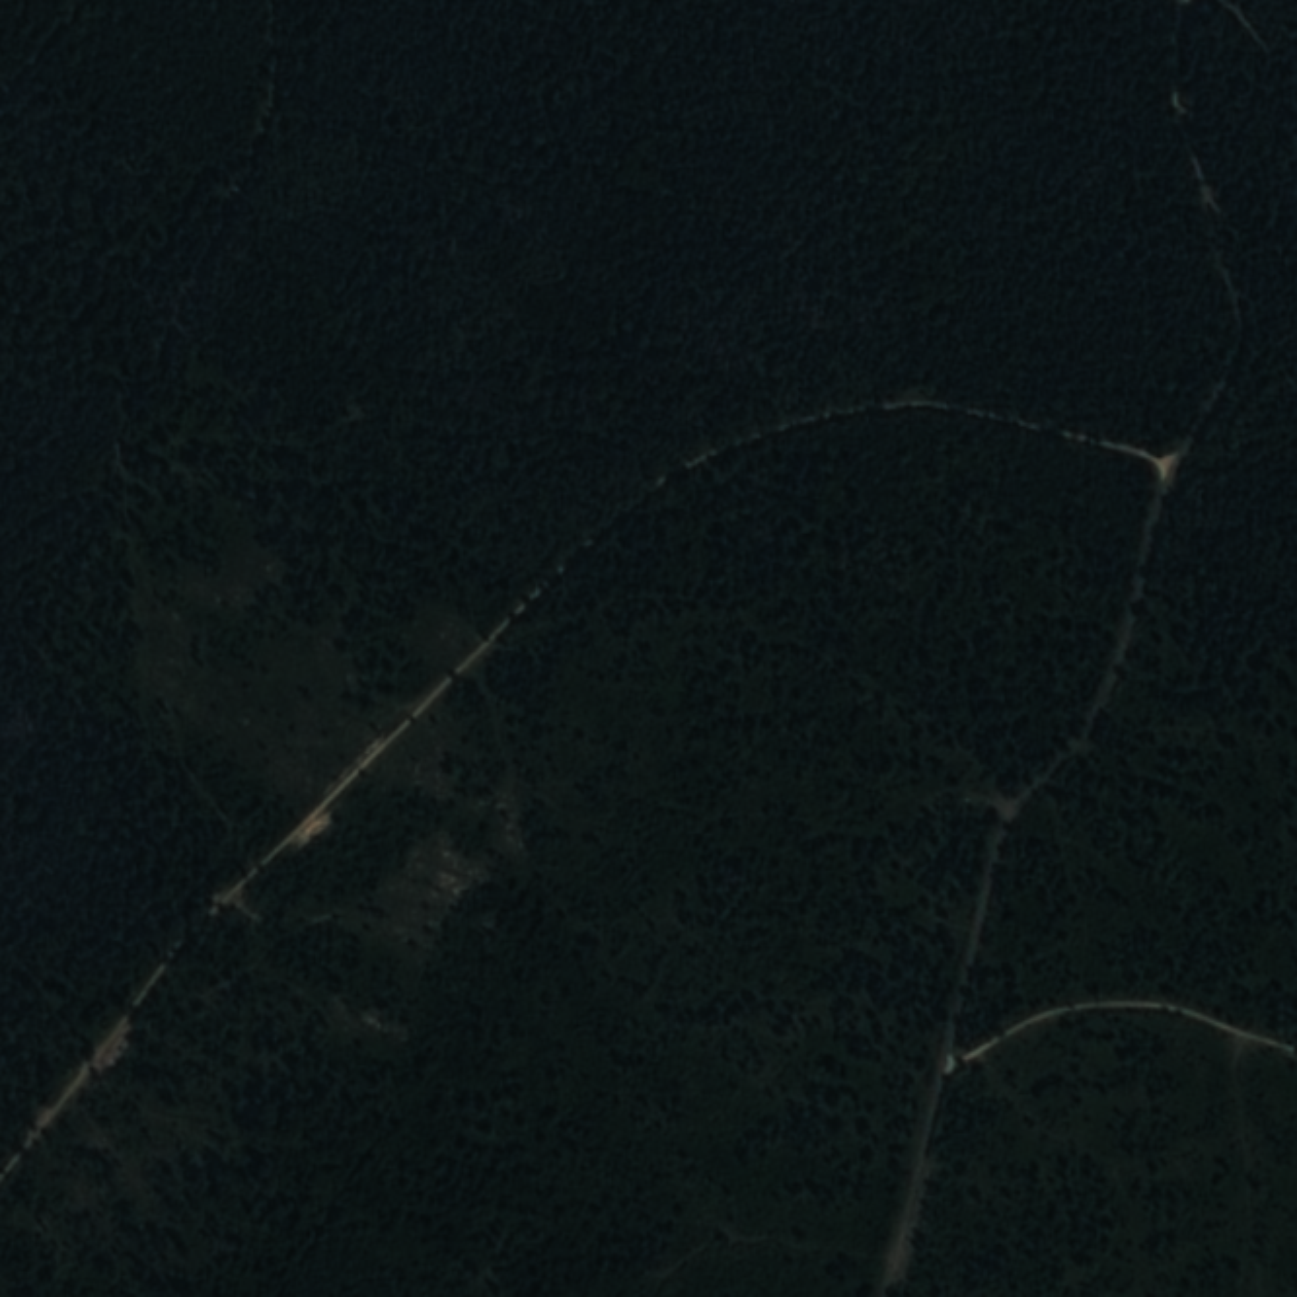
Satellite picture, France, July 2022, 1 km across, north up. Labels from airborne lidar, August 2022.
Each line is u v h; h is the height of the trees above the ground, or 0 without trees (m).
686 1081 5
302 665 0
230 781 7
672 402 19
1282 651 6
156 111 10
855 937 8
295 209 15
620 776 6
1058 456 12
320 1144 11
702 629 6
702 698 7
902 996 8
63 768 24
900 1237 0
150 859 18
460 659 0
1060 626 8
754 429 12
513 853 0
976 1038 11
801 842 10
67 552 12
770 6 23
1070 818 12
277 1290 6
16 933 26
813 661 11
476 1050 7
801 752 7
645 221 14
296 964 10
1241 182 27
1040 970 12
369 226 12
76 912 21
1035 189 14
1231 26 26
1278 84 29
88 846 21
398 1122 10
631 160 14
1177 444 6
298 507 17
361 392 10
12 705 19
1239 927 12
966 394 14
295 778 0
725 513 11
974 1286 19
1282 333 18
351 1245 9
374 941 0
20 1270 7
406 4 16
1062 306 13
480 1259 6
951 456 14
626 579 9
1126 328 20
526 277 19
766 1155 14
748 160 23
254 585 0
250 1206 16
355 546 14
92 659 28
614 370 13
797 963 9
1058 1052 5
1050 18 18
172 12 14
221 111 13
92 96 15
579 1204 7
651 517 14
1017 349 12
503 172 15
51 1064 24
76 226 24
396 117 23
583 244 15
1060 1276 18
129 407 20
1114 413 16
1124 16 26
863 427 9
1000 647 8
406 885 0
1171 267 20
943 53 18
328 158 14
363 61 19
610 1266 6
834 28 21
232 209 21
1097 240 12
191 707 0
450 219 7
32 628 22
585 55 18
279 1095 22
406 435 13
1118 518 10
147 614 0
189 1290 26
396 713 0
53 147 25
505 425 15
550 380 19
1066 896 8
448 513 10
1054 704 10
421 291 14
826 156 16
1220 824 7
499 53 23
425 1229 7
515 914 13
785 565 15
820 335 17
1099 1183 6
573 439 18
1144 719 7
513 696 14
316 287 12
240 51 11
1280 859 8
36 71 10
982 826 11
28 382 21
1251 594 14
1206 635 18
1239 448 11
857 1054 15
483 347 16
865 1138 12
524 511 18
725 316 20
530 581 19
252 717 0
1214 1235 16
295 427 14
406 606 13
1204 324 22
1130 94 22
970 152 9
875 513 9
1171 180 20
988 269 15
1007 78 20
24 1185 9
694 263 17
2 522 23
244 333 12
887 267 19
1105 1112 0
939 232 16
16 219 25
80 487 17
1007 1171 6
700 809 6
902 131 9
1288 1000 10
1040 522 10
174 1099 23
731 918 10
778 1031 12
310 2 20
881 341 11
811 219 16
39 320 18
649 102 14
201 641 9
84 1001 8
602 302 17
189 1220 27
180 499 17
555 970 7
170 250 21
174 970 23
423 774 0
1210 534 15
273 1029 22
